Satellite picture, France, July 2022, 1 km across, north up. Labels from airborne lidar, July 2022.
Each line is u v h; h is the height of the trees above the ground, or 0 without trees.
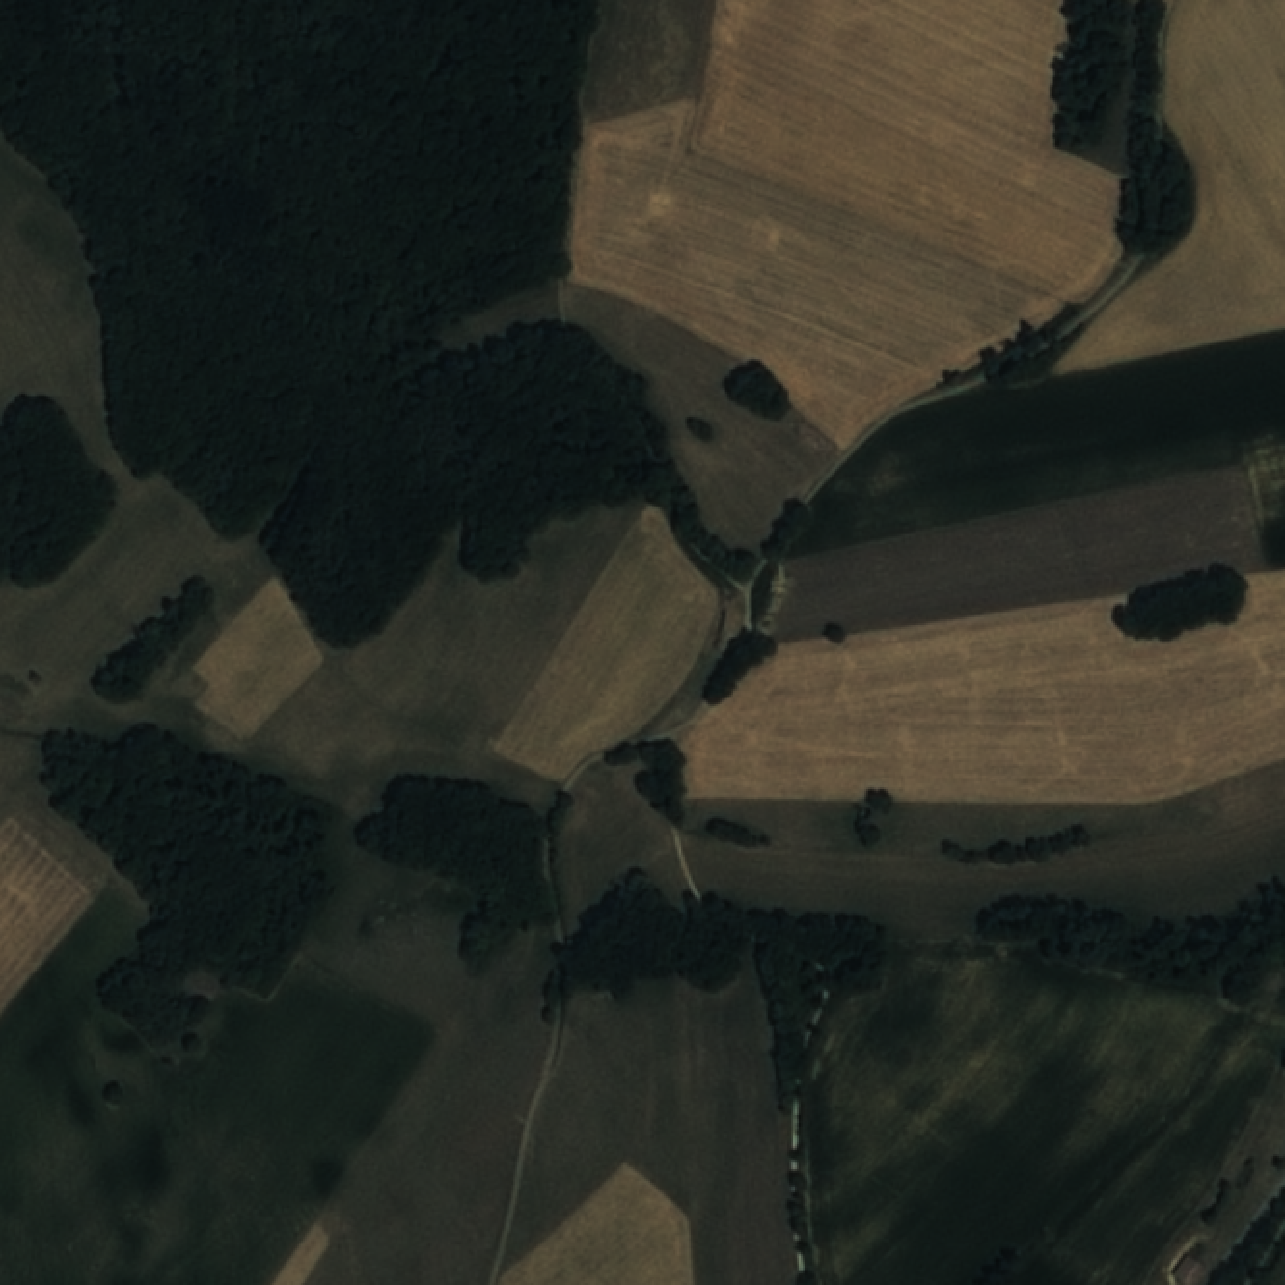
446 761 0
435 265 25
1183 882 0
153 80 31
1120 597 0
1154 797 0
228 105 27
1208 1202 0
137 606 0
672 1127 0
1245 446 0
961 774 0
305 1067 0
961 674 0
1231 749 0
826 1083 0
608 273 0
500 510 23
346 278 25
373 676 0
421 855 23
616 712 0
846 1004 0
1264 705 0
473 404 29
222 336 27
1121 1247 0
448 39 24
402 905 0
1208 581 23
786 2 0
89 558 0
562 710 0
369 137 28
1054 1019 0
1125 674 0
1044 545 0
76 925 0
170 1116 0
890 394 0
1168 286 0
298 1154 0
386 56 29
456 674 0
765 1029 0
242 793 22
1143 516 0
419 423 29
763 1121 0
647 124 0
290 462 27
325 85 28
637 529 0
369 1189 0
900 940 0
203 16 25
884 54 0
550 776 0
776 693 0
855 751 0
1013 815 0
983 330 0
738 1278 0
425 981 0
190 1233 0
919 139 0
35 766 0
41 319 0
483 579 23
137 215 25
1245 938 23
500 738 0
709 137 0
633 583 0
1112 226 0
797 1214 13
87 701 0
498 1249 0
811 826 0
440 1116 0
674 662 0
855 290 0
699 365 0
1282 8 0
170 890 16
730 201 0
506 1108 0
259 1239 0
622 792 0
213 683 0
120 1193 0
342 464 24
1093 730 0
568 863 0
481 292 23
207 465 21
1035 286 0
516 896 22
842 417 0
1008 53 0
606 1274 0
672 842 0
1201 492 0
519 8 31
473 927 16
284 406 27
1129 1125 0
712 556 16
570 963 19
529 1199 0
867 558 0
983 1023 0
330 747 0
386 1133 0
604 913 17
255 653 0
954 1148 0
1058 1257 0
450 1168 0
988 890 0
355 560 26
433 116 29
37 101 26
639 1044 0
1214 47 0
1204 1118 0
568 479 28
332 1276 0
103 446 0
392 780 0
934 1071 0
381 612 18
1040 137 0
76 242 0
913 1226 0
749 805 0
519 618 0
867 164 0
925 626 0
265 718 0
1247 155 0
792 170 0
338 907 0
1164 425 0
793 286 0
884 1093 0
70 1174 0
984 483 0
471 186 30
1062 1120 0
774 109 0
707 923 19
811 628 0
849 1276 0
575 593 0
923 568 0
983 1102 0
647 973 18
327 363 28
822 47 0
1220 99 0
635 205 0
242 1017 0
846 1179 0
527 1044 0
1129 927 22
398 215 24
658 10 0
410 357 12
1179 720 0
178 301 25
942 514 0
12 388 0
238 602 0
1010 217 0
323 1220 0
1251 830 0
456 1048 0
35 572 19
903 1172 0
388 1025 0
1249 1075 0
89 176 21
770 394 19
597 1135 0
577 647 0
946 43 0
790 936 21
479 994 0
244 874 23
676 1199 0
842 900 0
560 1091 0
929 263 0
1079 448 0
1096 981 0
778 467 0
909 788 0
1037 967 0
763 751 0
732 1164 0
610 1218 0
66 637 0
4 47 27
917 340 0
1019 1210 0
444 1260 0
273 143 28
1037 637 0
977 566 0
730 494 0
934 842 0
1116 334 0
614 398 25
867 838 15
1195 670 0
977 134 0
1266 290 0
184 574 0
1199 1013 0
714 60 0
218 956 16
